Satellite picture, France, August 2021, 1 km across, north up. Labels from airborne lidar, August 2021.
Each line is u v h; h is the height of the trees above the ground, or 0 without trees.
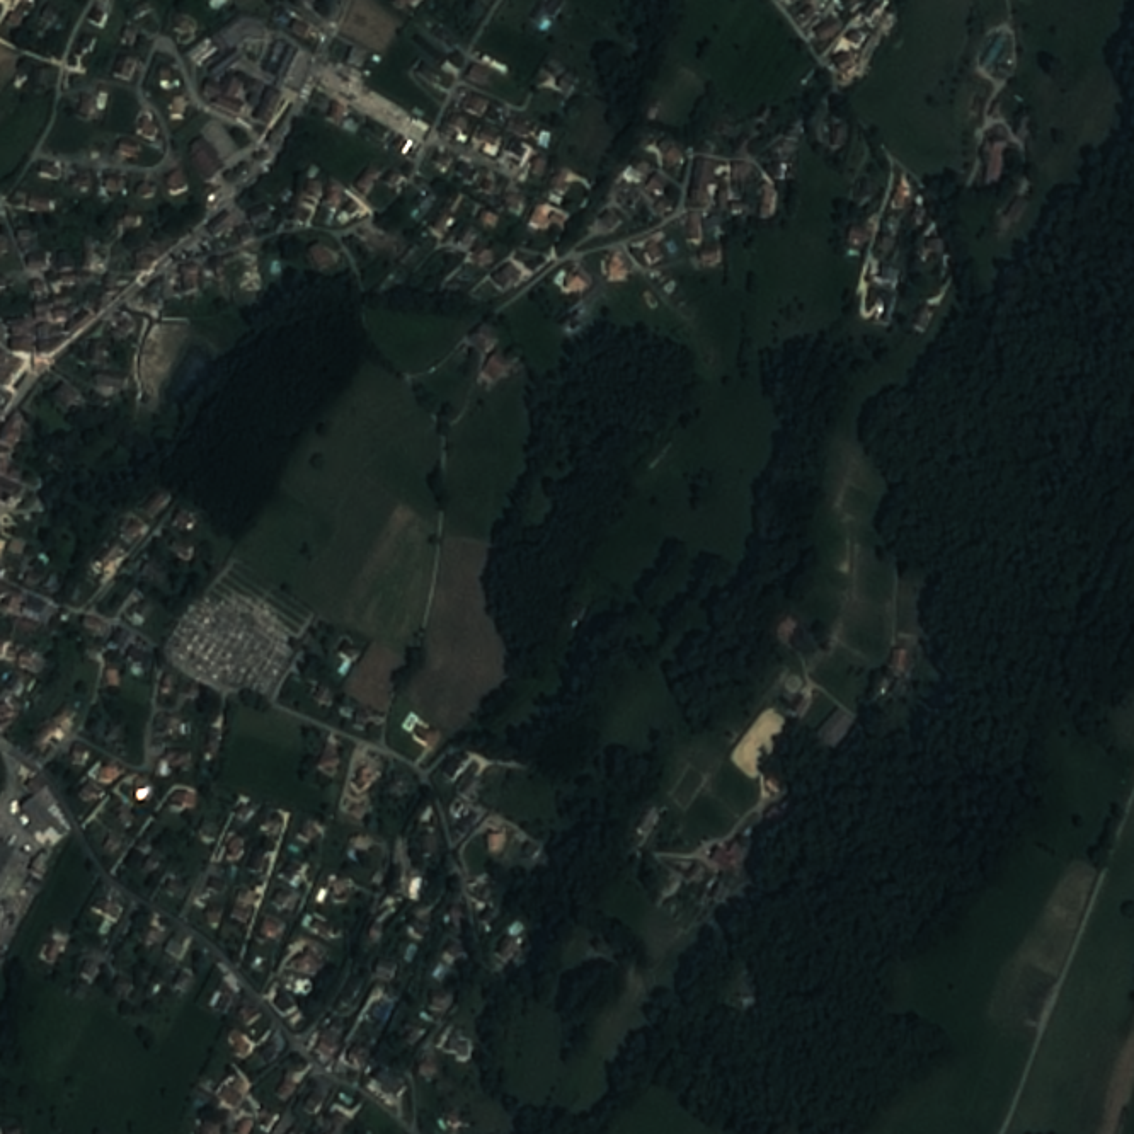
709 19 0
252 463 19
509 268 0
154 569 0
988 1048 0
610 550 0
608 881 18
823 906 26
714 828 0
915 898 29
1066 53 0
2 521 0
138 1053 0
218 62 0
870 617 0
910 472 22
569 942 22
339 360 22
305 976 0
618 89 17
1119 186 23
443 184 12
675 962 0
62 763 6
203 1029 0
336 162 0
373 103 0
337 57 0
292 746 0
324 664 8
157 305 0
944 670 25
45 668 5
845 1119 15
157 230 7
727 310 0
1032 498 17
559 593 25
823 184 0
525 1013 7
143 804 8
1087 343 17
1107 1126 0
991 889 22
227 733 7
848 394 8
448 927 12
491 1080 14
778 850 26
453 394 0
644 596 17
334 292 26
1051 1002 0
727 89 0
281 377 17
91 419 8
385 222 18
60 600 11
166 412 7
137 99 0
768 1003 19
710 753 0
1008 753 23
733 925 26
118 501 23
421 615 0
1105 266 14
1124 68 16
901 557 10
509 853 0
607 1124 15
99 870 10
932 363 18
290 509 0
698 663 20
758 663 22
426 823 5
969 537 20
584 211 11
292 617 0
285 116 0
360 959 10
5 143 0
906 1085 23
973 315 12
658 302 0
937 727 27
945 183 17
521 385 0
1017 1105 0
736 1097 24
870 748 18
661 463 0
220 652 0
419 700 0
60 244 0
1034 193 10
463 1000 9
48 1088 0
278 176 7
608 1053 0
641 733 0
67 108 5
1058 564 20
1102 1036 0
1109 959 0
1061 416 29
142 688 0
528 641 25
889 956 20
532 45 0
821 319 0
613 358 30
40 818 0
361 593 0
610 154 11
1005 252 0
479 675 0
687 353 26
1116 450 24
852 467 0
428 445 0
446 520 0
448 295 23
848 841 23
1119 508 29
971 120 0
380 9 0
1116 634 21
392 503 0
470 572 0
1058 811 0
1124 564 16
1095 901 0
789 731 12
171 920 6
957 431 23
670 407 23
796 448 19
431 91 0
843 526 0
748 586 18
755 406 0
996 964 0
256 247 0
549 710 18
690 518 0
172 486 21
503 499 0
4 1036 16
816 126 10
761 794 0
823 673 0
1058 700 22
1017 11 8
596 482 24
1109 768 0
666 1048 24
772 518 14
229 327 0
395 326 0
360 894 10
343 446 0
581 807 13
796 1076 26
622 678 18
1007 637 28
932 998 0
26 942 0
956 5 0
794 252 0
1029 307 26
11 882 0
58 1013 0
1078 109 0
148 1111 0
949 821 32
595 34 0
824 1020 27
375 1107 0
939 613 19
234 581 0
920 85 0
